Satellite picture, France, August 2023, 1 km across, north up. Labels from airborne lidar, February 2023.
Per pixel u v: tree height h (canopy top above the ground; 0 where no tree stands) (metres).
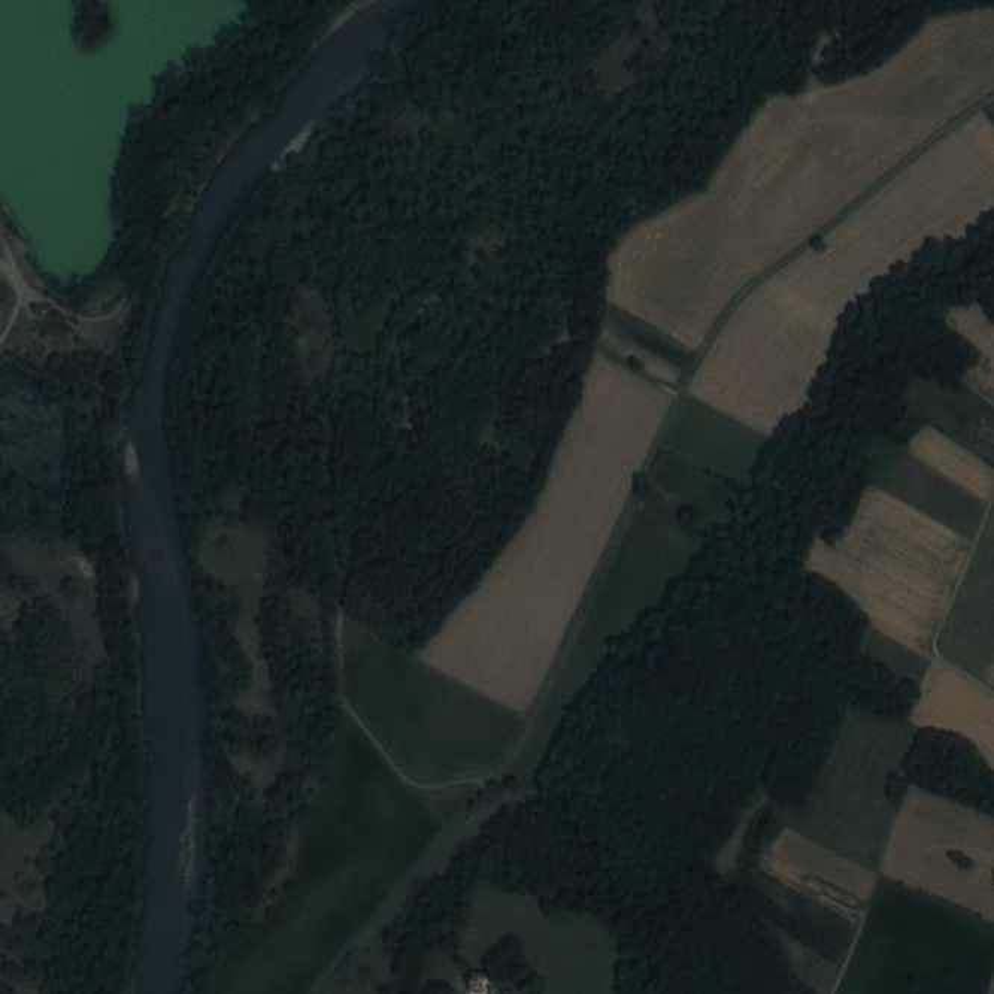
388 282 12
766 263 0
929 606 0
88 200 0
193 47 0
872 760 0
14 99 0
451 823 0
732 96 24
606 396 0
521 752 0
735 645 17
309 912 0
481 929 0
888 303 20
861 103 0
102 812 6
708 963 23
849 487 22
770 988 18
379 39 0
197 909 0
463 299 27
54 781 10
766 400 0
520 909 0
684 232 0
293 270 8
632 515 0
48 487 0
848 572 0
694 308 0
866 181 0
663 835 18
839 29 26
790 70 22
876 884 0
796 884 0
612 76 0
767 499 20
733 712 17
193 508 12
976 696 0
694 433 0
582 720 23
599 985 0
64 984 23
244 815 14
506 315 7
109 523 30
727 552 20
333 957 0
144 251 10
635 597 0
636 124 27
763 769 16
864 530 0
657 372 0
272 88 21
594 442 0
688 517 15
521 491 18
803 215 0
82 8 16
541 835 12
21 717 12
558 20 14
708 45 8
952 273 20
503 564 0
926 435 0
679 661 18
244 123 16
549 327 27
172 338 0
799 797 17
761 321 0
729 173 0
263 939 0
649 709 16
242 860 31
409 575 12
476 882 11
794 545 17
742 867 0
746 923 22
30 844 0
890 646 0
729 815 23
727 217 0
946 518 0
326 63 0
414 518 17
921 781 15
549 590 0
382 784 0
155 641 0
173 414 16
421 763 0
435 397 19
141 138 20
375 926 0
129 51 0
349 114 16
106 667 6
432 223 9
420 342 26
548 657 0
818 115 0
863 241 0
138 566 0
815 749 15
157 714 0
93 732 10
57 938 15
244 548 0
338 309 8
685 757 18
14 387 0
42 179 0
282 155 0
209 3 0
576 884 9
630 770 20
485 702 0
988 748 0
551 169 23
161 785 0
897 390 20
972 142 0
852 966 0
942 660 0
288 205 11
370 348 0
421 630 24
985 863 0
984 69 0
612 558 0
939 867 0
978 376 0
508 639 0
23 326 0
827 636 23
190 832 0
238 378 15
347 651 0
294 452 25
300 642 7
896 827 0
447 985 0
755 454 0
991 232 19
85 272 0
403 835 0
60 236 0
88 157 0
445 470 13
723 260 0
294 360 7
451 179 6
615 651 18
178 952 0
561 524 0
